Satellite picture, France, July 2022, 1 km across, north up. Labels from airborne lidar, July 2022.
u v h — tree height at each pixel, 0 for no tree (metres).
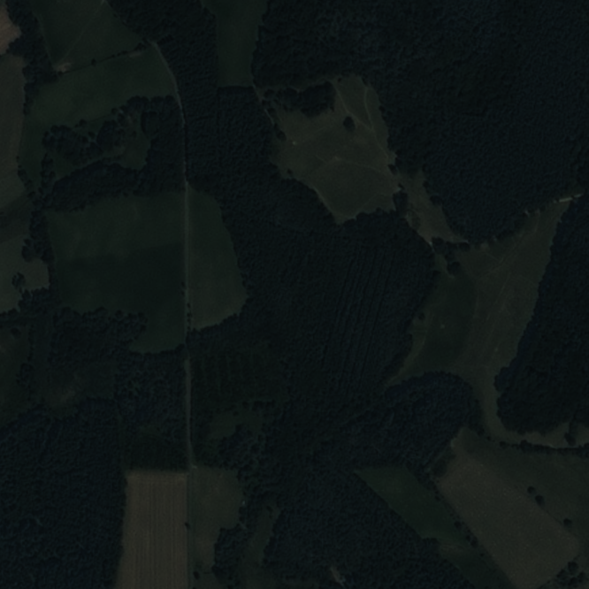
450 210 21
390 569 16
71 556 27
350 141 0
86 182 21
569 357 25
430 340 0
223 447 10
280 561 18
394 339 12
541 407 28
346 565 13
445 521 0
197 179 21
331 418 21
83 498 20
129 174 18
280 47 21
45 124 0
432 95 12
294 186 19
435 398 24
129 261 0
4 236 0
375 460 15
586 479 0
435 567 10
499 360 0
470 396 24
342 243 15
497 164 21
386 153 0
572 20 25
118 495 17
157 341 0
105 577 21
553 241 0
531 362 11
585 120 27
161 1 26
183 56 12
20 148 0
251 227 17
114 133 23
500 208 22
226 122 20
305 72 21
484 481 0
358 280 13
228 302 0
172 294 0
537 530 0
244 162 21
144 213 0
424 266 16
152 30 21
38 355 0
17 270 0
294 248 16
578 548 0
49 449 19
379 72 17
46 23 0
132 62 0
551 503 0
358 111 0
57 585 27
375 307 16
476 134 21
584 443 0
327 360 12
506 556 0
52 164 15
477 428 14
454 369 0
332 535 17
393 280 9
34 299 11
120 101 0
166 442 11
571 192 15
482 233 21
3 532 27
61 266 0
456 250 10
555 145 24
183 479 0
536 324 19
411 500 0
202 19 24
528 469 0
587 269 30
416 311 23
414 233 20
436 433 21
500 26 26
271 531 0
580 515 0
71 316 19
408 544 17
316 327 11
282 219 12
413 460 21
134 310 0
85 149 15
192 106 17
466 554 0
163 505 0
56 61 0
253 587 0
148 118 20
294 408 19
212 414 6
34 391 19
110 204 0
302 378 14
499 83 21
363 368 15
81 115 0
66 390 0
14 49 17
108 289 0
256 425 0
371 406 15
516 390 31
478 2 21
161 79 0
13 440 17
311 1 19
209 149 16
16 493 8
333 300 11
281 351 20
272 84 16
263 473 7
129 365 19
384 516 18
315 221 13
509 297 0
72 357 25
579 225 27
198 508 0
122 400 28
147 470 5
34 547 27
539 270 0
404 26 21
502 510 0
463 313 0
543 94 23
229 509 0
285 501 16
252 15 0
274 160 0
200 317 0
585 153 21
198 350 18
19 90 0
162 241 0
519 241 0
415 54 12
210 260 0
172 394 19
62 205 21
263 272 16
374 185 0
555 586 0
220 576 27
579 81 20
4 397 0
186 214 0
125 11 19
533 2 21
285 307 15
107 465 22
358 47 11
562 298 27
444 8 24
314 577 17
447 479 0
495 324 0
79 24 0
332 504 19
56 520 19
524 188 22
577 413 29
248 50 0
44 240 14
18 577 18
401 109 22
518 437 0
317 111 16
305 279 12
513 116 27
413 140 20
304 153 0
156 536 0
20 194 0
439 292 0
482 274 0
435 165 22
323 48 18
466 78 26
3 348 0
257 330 23
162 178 23
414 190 0
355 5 19
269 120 21
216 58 11
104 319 11
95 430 23
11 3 14
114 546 21
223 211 12
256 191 14
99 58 0
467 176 22
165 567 0
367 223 22
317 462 18
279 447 18
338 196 0
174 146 25
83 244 0
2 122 0
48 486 16
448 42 26
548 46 23
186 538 0
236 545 22
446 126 15
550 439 0
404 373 0
